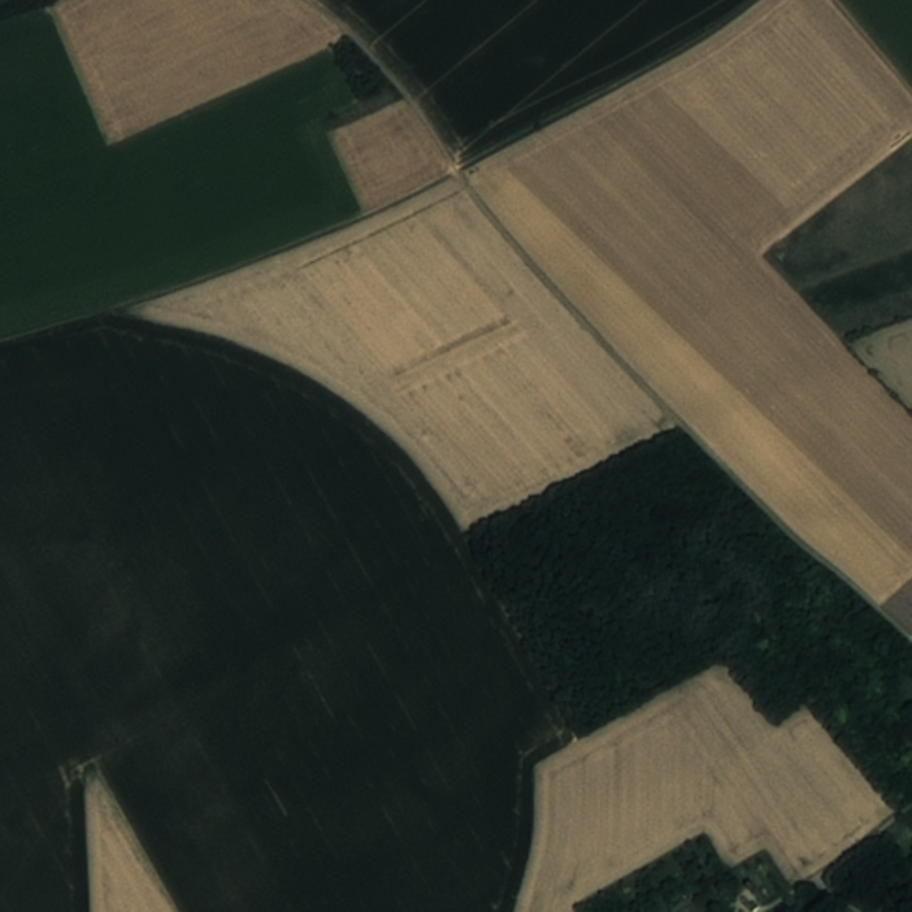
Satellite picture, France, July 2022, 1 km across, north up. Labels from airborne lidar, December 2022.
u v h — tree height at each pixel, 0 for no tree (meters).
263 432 0
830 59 0
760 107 0
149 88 0
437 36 0
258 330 0
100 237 0
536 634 18
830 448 0
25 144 0
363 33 0
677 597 27
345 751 0
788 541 18
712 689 0
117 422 0
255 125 0
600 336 0
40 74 0
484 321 0
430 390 0
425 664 0
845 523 0
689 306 0
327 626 0
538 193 0
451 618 0
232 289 0
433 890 0
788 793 0
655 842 0
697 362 0
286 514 0
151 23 0
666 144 0
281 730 0
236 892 0
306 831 0
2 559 0
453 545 0
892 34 0
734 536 26
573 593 27
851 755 12
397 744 0
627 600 26
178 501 0
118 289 0
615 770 0
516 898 0
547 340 0
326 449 0
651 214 0
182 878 0
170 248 0
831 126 0
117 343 0
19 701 0
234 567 0
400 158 0
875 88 0
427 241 0
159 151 0
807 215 0
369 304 0
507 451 0
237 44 0
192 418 0
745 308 0
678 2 0
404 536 0
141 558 0
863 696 20
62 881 0
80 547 0
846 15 0
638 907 9
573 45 0
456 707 0
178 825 0
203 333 0
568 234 0
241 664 0
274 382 0
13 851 0
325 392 0
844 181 0
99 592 0
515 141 0
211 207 0
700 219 0
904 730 17
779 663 19
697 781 0
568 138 0
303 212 0
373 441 0
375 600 0
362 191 0
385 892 0
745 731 0
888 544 0
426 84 0
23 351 0
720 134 0
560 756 0
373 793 0
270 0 0
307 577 0
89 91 0
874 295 0
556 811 0
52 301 0
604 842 0
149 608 0
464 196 0
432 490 0
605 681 25
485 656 0
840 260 0
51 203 0
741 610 21
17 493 0
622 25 0
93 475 0
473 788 0
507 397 0
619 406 0
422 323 0
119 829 0
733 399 0
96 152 0
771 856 0
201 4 0
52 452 0
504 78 0
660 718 0
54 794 0
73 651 0
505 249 0
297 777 0
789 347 0
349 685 0
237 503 0
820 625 25
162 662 0
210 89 0
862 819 0
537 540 25
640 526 23
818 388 0
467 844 0
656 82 0
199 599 0
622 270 0
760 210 0
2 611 0
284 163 0
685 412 0
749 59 0
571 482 13
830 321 0
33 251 0
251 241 0
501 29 0
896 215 0
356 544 0
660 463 23
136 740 0
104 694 0
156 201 0
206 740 0
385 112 0
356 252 0
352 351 0
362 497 0
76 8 0
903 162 0
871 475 0
